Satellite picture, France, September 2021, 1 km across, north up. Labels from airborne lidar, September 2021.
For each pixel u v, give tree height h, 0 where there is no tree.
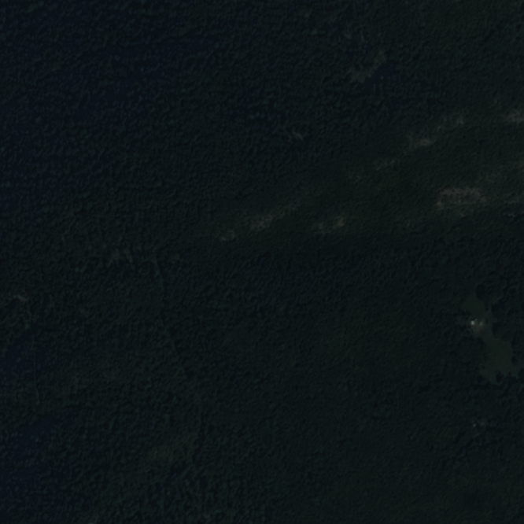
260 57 11
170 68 9
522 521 25
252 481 26
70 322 11
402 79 31
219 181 17
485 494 19
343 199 21
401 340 20
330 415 19
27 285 19
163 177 13
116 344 14
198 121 15
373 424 25
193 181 12
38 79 26
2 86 25
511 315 23
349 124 15
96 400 20
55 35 32
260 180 27
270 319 19
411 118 14
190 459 15
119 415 15
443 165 17
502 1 29
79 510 16
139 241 9
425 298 26
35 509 21
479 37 31
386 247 30
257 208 17
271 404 19
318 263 26
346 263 25
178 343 21
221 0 8
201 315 21
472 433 27
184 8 14
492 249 26
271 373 16
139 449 12
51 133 29
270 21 17
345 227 10
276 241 21
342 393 24
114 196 12
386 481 17
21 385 12
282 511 23
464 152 17
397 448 26
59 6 26
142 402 20
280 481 21
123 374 15
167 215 16
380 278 31
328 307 25
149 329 24
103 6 27
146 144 20
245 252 24
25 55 17
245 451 20
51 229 16
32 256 17
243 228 14
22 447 9
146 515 11
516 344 23
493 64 17
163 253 25
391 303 28
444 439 27
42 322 19
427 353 22
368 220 18
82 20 31
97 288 10
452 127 10
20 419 11
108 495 19
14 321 14
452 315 14
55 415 14
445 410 23
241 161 17
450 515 20
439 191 15
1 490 14
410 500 20
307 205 11
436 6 19
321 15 23
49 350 18
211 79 16
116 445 11
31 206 14
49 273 16
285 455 20
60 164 18
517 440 26
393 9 28
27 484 12
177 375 12
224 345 11
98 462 22
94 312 14
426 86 27
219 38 14
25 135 27
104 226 26
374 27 27
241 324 20
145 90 23
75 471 19
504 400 26
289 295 30
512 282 17
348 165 12
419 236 29
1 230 19
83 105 14
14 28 21
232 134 17
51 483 12
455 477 26
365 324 27
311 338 20
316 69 21
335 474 17
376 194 13
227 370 32
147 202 19
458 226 22
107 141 16
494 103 9
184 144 16
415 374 27
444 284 27
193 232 14
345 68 21
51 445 12
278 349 13
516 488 19
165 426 14
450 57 28
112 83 15
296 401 26
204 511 14
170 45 25
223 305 22
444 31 24
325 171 21
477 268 24
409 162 17
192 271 34
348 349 24
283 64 17
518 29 28
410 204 19
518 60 22
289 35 19
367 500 21
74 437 12
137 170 11
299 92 12
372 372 23
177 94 17
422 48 23
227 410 13
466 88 19
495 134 22
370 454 19
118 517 19
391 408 25
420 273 32
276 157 27
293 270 31
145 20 30
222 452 17
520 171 11
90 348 14
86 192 17
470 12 23
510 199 11
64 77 18
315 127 18
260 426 27
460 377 33
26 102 18
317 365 18
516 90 16
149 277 6
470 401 27
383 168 12
